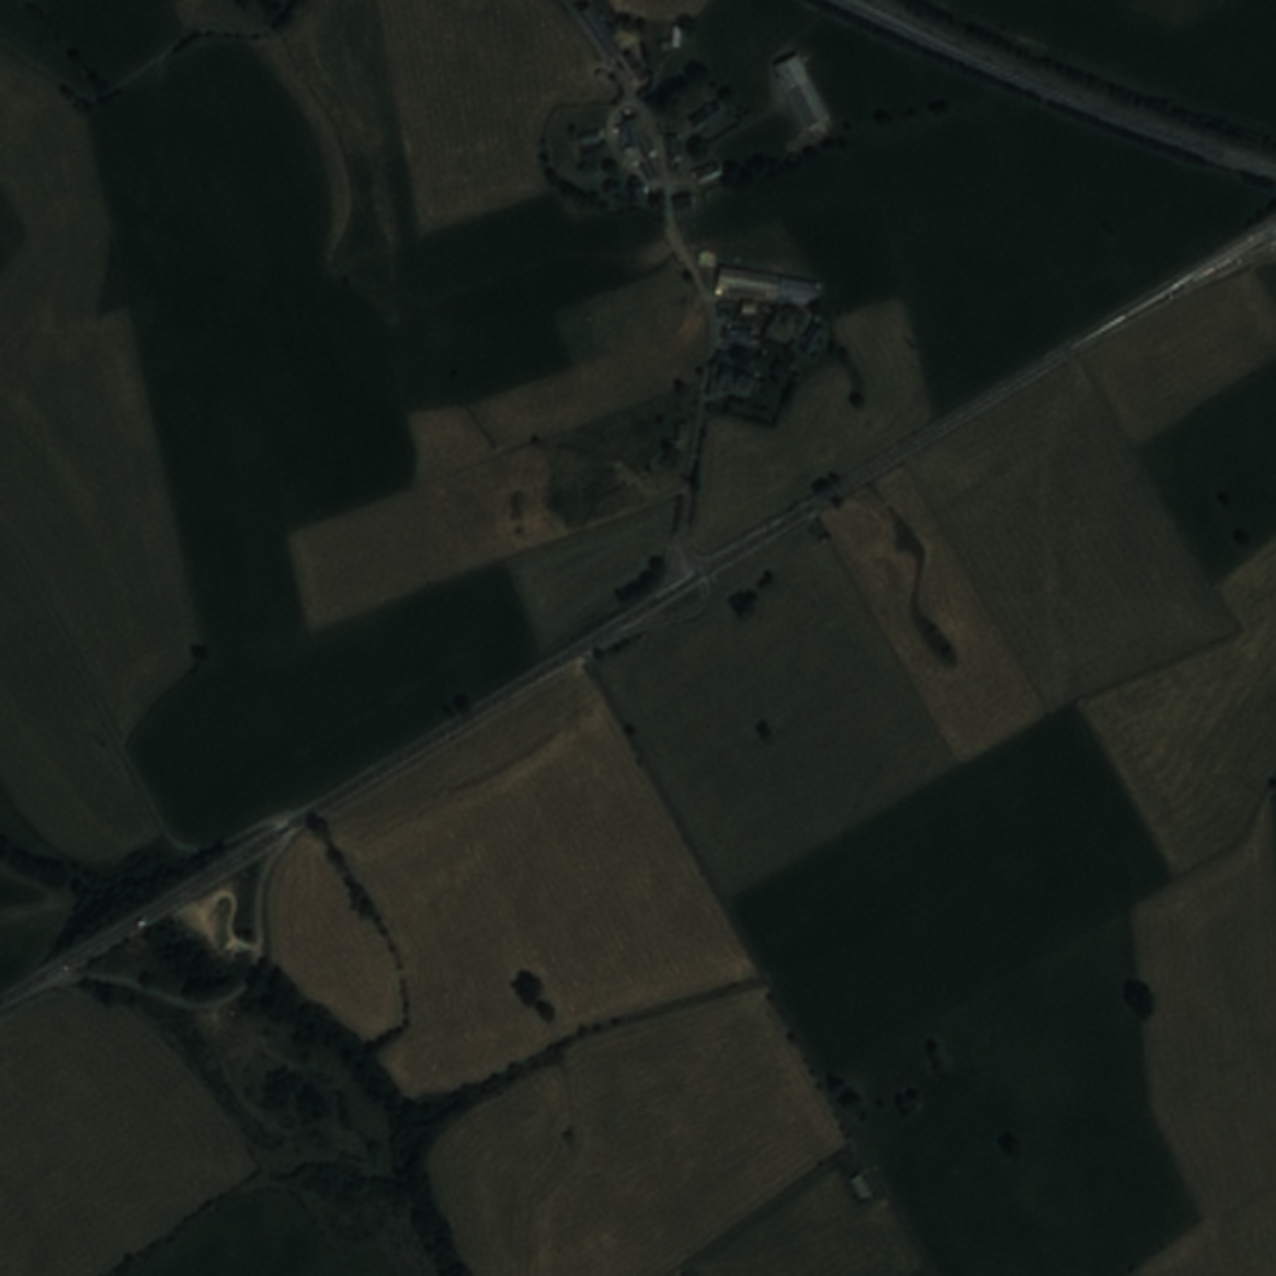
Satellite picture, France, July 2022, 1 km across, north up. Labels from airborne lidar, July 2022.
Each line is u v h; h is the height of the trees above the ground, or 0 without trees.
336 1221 0
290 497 0
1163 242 0
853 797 0
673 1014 0
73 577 0
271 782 0
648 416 0
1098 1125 0
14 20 0
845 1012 0
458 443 0
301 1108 8
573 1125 0
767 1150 0
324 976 0
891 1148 0
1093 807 0
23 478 0
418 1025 0
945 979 0
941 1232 0
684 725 0
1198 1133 0
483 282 0
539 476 0
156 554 0
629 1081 0
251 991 12
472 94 0
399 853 0
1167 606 0
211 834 0
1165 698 0
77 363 0
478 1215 0
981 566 0
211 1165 0
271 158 0
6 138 0
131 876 7
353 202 0
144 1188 0
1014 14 0
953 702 0
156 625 0
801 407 0
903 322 0
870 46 0
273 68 0
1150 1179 0
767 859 0
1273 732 0
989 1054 0
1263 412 0
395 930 0
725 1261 0
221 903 0
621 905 0
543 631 0
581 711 0
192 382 0
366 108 0
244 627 0
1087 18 0
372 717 0
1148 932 0
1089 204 0
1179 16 0
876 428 0
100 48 0
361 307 0
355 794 0
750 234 0
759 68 0
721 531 0
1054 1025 0
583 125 0
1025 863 0
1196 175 0
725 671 0
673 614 0
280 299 0
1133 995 18
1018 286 0
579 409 0
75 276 0
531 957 0
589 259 0
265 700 0
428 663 0
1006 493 0
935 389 0
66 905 0
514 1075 7
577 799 0
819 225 0
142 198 0
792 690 0
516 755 0
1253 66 0
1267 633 0
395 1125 7
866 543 0
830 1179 0
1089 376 0
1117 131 10
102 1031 0
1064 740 0
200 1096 0
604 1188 0
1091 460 0
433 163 0
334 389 0
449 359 0
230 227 0
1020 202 0
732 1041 0
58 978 0
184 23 0
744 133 0
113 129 0
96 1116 0
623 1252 0
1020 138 0
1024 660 0
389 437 0
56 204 0
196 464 0
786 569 0
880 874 0
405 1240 0
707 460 0
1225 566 0
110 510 0
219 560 0
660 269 0
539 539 0
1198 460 0
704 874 0
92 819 0
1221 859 0
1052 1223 0
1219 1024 0
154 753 0
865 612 0
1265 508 0
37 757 0
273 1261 0
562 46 0
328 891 0
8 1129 0
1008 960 0
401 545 0
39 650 0
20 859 15
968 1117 0
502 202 0
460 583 0
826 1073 0
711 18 0
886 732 0
